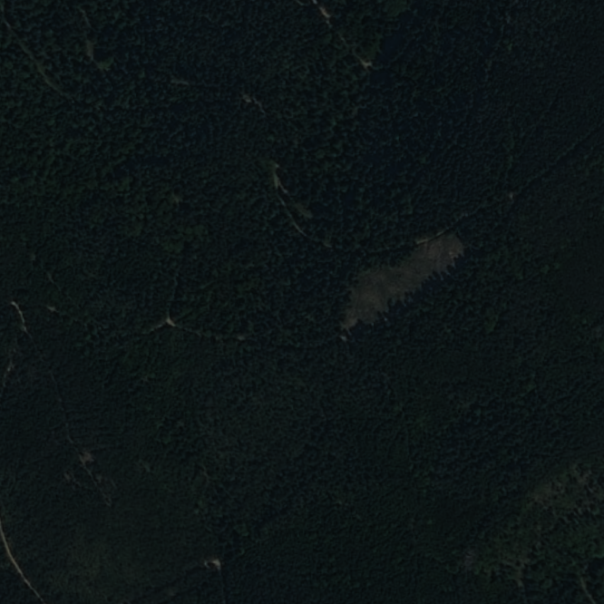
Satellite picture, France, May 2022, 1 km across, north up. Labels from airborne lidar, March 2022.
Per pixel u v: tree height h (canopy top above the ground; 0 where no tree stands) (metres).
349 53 13
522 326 27
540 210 24
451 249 0
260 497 26
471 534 15
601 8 10
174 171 31
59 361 18
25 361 15
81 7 19
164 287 26
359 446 16
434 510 10
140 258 20
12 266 18
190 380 12
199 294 29
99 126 20
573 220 22
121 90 10
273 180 12
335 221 28
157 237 25
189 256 27
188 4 10
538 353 23
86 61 39
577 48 12
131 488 13
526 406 23
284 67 30
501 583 23
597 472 27
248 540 15
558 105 17
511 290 25
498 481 23
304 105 34
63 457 15
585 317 15
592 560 16
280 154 32
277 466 24
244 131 27
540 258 24
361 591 18
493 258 19
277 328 20
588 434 17
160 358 8
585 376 23
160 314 16
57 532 11
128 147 16
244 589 18
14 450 13
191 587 26
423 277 0
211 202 26
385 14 24
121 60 38
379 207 22
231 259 21
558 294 22
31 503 10
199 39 26
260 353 25
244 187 30
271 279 28
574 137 13
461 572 19
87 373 19
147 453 13
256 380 22
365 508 10
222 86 28
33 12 32
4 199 16
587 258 18
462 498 18
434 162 29
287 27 29
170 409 18
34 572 14
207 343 9
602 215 14
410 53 31
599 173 23
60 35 34
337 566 8
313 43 35
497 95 10
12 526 7
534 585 29
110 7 12
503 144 24
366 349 22
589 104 10
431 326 19
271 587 14
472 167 28
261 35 8
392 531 8
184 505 13
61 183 11
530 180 10
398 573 13
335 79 19
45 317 15
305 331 9
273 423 21
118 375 18
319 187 37
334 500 30
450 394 23
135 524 10
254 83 18
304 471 29
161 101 20
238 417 18
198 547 14
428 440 13
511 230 20
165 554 16
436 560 10
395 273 0
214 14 34
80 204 11
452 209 25
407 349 19
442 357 19
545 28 6
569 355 25
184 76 35
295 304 27
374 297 0
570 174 21
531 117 13
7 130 13
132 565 10
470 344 22
